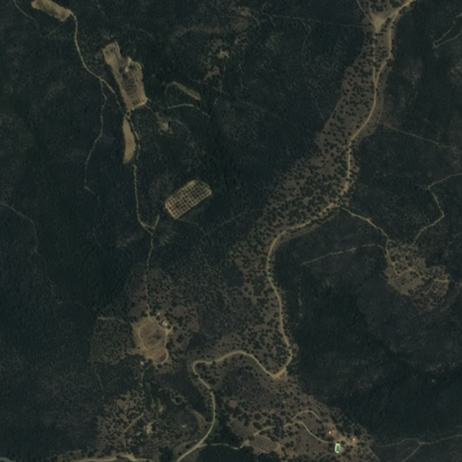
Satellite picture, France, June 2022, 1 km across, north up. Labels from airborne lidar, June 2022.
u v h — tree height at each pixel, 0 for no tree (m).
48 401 6
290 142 6
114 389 6
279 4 7
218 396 10
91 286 8
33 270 6
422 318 7
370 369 8
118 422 7
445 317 7
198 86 8
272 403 9
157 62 5
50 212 7
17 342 8
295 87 5
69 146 6
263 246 6
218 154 11
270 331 6
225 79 10
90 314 9
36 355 8
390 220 9
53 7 0
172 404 7
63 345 6
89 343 6
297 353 6
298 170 6
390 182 7
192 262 7
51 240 8
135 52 7
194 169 7
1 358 5
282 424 7
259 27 9
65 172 8
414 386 7
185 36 7
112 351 6
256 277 7
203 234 7
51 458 6
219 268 6
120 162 7
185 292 6
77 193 7
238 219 6
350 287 9
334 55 8
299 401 5
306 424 0
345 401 6
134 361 11
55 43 7
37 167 9
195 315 7
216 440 8
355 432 6
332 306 10
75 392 7
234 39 7
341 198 7
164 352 0
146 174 6
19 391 7
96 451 9
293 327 6
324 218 6
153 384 9
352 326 11
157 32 8
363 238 7
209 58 7
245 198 8
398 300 6
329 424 0
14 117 6
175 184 6
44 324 6
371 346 11
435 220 10
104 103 7
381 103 0
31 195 6
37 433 9
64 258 6
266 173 6
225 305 6
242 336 7
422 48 9
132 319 7
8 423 6
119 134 7
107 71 9
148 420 7
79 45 6
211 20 7
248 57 8
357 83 7
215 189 9
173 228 6
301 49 5
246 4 9
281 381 0
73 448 5
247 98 7
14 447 7
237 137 9
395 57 9
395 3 7
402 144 6
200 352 8
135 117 8
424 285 8
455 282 6
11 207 7
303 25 6
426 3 9
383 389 9
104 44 9
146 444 9
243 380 6
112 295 9
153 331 0
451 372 6
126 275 7
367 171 8
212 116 8
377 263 10
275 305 6
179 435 6
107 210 8
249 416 9
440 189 5
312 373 6
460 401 7
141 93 0
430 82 6
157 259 6
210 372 8
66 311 6
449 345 0
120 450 9
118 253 7
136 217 6
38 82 6
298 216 8
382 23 0
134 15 8
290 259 8
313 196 6
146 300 7
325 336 7
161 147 6
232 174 8
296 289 6
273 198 6
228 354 0
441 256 9
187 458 0
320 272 7
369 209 9
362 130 0
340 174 8
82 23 7
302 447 0
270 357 6
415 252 11
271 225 7
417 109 8
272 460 12
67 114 6
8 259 7
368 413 7
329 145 7
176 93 7
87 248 7
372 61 6
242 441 7
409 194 7
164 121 0
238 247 6
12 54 0
